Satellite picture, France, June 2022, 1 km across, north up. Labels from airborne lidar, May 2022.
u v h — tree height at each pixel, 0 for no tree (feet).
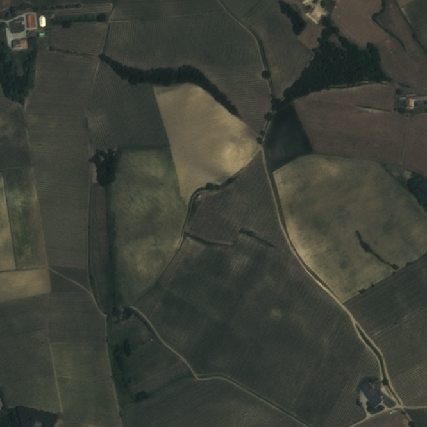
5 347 0
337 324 0
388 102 0
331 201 0
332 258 0
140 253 0
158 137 0
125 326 0
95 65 0
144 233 0
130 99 0
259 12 0
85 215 0
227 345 0
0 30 35
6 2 0
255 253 0
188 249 0
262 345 0
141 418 0
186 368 0
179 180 0
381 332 0
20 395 0
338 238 0
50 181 0
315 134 0
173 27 0
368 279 0
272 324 0
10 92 55
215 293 0
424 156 0
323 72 33
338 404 0
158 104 0
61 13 0
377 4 0
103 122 0
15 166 0
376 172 0
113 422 0
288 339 0
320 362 0
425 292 0
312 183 0
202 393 0
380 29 0
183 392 0
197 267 0
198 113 0
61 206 0
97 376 0
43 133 0
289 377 0
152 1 0
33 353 0
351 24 0
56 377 0
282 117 0
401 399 0
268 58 0
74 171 0
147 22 0
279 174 0
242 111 0
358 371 0
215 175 0
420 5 0
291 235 0
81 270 0
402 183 0
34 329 0
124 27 0
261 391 0
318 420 0
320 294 0
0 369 0
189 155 0
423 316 0
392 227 0
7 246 0
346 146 0
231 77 0
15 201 0
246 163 0
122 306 0
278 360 0
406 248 0
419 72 0
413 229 0
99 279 0
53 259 0
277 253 0
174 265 0
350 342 0
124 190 0
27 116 0
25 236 0
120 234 0
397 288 0
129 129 0
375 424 0
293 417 0
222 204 0
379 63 41
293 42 0
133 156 0
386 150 0
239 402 0
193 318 0
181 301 0
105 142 0
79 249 0
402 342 0
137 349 0
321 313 0
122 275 0
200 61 0
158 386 0
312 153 0
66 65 0
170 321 0
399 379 0
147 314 0
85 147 0
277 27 0
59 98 0
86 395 0
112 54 0
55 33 0
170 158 0
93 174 0
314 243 0
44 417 47
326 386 0
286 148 0
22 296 0
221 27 0
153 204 0
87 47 0
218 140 0
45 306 0
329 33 61
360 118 0
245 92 0
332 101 0
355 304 0
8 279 0
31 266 0
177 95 0
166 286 0
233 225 0
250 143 0
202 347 0
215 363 0
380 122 0
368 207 0
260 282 0
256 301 0
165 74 51
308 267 0
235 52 0
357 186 0
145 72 43
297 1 0
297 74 0
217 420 0
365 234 0
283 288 0
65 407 0
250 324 0
